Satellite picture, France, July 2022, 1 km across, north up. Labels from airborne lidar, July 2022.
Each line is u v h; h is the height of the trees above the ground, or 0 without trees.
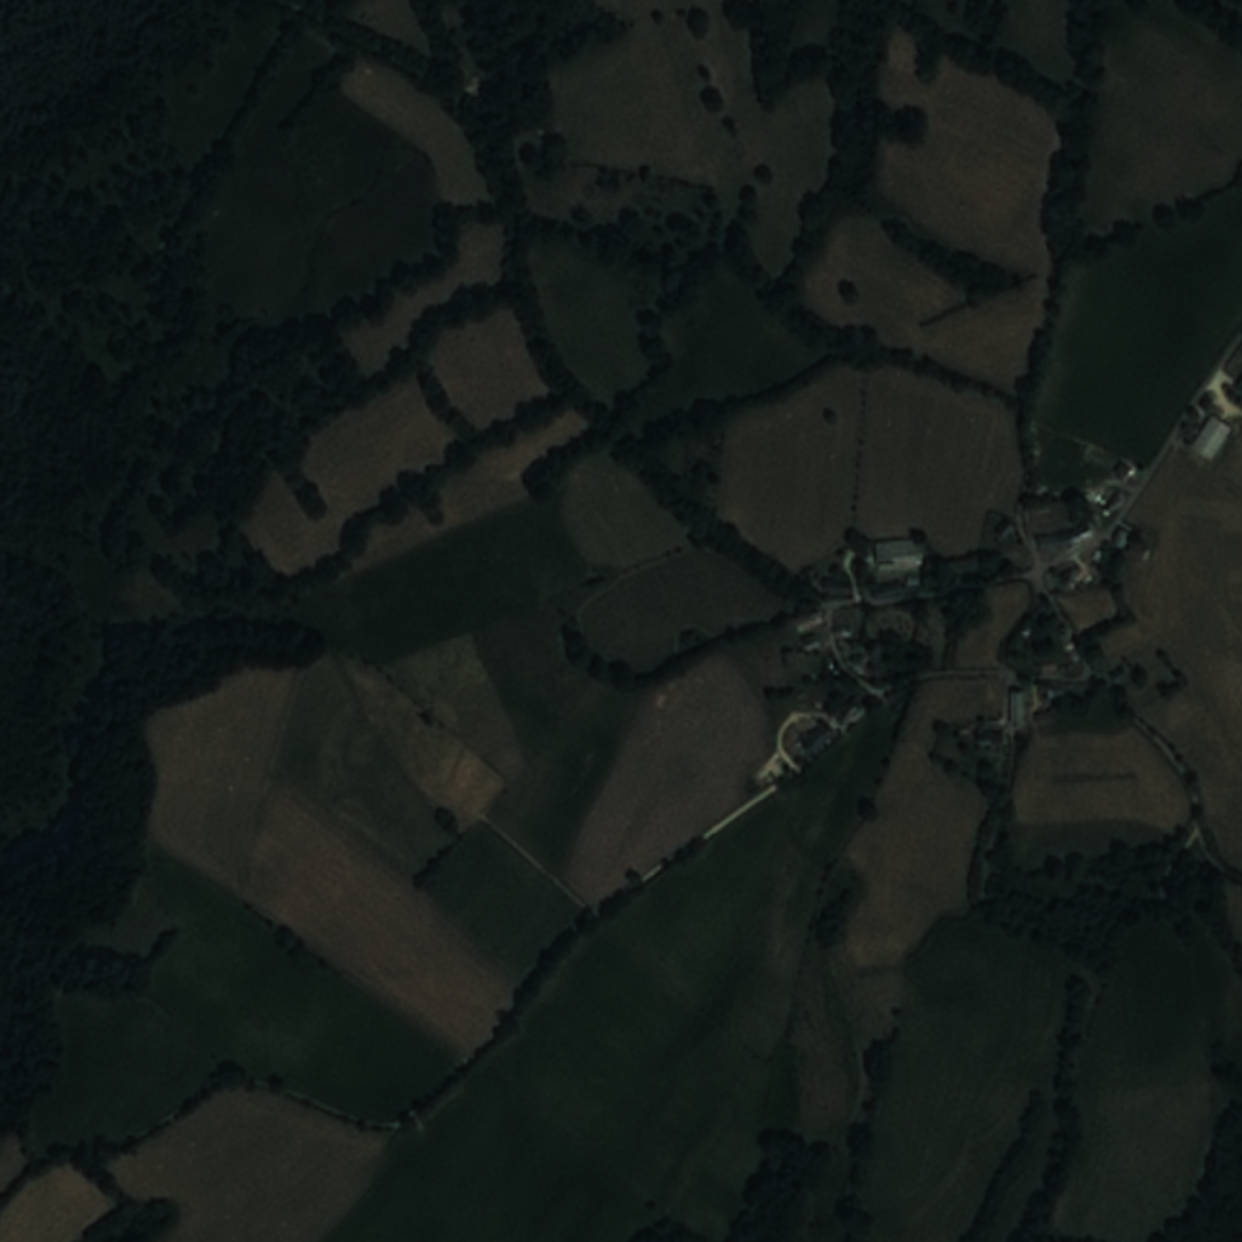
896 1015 10
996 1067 0
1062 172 20
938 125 0
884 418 0
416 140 0
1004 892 11
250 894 0
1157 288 0
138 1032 0
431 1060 0
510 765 0
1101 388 0
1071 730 0
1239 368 0
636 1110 0
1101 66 22
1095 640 6
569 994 0
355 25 8
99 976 27
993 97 0
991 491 0
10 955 25
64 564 19
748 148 0
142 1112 0
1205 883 19
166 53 22
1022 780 0
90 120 24
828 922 13
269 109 0
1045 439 0
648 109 0
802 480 0
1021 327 0
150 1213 10
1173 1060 0
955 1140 0
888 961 0
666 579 0
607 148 0
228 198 0
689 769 0
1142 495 0
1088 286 0
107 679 11
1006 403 8
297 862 0
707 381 0
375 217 0
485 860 0
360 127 0
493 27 20
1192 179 0
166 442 20
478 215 8
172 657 18
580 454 15
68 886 27
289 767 0
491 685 0
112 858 26
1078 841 0
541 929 0
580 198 0
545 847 0
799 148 0
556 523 0
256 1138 0
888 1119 0
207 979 0
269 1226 0
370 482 0
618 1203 0
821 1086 0
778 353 0
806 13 0
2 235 24
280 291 0
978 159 0
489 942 0
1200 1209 21
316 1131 0
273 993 0
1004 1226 0
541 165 16
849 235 0
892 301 0
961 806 0
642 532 0
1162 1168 0
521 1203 0
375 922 0
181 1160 0
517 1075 0
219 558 12
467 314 19
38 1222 0
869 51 6
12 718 18
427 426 0
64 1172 0
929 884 0
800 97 0
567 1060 0
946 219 0
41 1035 20
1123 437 0
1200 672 0
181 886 0
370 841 0
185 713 0
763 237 0
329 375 18
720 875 0
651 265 19
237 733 0
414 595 0
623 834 0
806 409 0
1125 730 0
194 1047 0
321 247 0
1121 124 0
